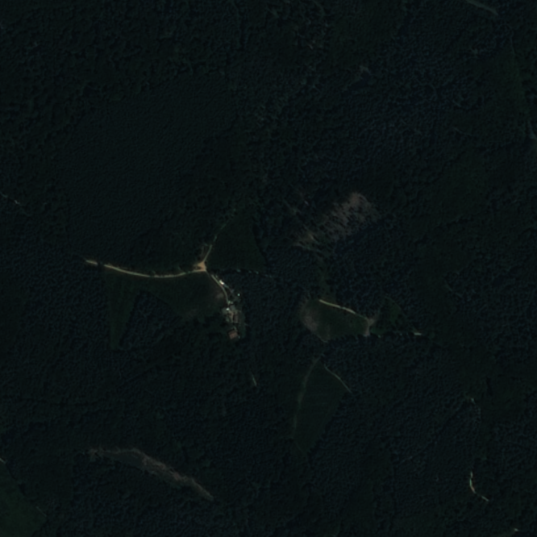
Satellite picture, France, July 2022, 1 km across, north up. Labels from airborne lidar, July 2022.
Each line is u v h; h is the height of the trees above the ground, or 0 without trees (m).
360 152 30
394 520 20
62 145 24
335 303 0
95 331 26
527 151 37
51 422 25
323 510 20
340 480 21
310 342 30
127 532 22
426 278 31
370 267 16
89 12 28
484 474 29
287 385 28
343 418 21
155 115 16
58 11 29
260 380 12
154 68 29
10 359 18
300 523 28
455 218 27
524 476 25
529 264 26
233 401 18
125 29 29
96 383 29
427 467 24
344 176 25
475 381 27
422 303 32
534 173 24
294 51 28
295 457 27
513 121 32
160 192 16
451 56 21
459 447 24
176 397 19
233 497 18
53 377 20
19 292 19
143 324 22
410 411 27
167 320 25
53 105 16
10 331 23
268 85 29
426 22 14
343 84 22
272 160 31
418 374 28
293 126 19
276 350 23
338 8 24
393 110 28
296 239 30
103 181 17
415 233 25
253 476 11
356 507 28
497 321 26
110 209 17
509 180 32
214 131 19
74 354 19
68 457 31
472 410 14
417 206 16
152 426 23
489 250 27
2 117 25
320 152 24
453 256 28
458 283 23
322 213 31
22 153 19
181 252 16
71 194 16
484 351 31
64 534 16
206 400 17
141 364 17
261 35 22
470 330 34
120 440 31
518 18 28
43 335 19
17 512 0
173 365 11
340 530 13
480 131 30
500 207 32
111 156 13
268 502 28
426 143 25
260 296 22
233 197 25
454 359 29
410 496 24
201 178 18
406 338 17
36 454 34
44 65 8
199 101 17
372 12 26
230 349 11
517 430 27
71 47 29
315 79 39
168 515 32
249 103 23
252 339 21
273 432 19
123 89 23
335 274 6
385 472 23
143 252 20
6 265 26
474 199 30
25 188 22
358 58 33
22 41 21
